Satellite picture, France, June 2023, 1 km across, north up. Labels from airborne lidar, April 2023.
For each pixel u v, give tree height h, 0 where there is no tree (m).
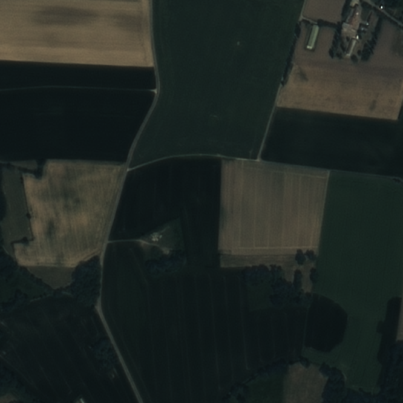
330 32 0
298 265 0
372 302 0
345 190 0
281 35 0
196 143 0
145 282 0
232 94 0
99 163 0
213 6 0
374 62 0
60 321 0
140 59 0
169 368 0
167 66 0
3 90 0
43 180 0
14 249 0
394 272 0
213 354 0
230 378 0
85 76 0
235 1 0
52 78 0
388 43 0
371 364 0
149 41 0
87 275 23
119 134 0
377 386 0
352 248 0
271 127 0
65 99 0
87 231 0
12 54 0
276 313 0
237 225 0
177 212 0
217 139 0
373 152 0
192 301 0
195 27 0
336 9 0
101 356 16
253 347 0
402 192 0
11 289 0
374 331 0
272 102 0
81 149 0
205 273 0
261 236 0
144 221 0
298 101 0
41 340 0
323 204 0
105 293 0
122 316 0
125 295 0
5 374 17
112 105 0
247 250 0
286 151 0
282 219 0
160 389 0
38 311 0
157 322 0
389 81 0
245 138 0
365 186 0
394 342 0
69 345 0
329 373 31
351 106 0
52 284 0
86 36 0
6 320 0
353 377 0
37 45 0
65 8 0
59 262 0
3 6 0
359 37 7
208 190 0
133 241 0
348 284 0
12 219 0
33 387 0
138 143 0
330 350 0
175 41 0
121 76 0
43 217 0
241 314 0
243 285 0
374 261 0
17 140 0
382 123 0
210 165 0
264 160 0
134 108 0
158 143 0
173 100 0
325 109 0
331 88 0
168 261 29
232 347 0
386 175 0
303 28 0
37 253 0
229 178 0
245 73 0
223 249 0
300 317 0
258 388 0
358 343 0
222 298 0
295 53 0
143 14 0
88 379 0
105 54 0
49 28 0
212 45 0
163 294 0
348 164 0
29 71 0
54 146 0
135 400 0
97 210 0
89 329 0
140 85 0
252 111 0
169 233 0
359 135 0
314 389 0
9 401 0
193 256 0
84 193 0
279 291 31
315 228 0
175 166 0
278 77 0
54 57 0
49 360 0
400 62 0
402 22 7
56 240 0
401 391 15
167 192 0
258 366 0
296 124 0
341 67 0
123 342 0
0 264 21
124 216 0
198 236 0
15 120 0
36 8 0
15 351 0
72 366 0
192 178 0
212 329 0
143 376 0
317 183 0
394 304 0
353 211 0
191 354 0
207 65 0
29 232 0
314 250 0
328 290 0
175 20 0
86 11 0
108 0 0
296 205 0
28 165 0
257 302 0
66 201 0
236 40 0
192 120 0
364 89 0
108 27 0
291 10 0
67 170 0
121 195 0
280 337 0
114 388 0
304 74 0
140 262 0
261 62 0
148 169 0
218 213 0
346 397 32
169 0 0
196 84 0
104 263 0
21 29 0
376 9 13
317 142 0
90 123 0
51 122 0
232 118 0
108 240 0
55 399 0
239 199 0
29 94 0
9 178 0
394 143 0
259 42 0
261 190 0
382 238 0
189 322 0
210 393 0
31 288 0
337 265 0
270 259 0
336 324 0
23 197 0
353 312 0
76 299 13
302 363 15
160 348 0
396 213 0
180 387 0
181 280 0
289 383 0
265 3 0
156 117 0
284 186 0
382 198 0
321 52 0
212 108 0
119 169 0
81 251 0
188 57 0
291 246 0
